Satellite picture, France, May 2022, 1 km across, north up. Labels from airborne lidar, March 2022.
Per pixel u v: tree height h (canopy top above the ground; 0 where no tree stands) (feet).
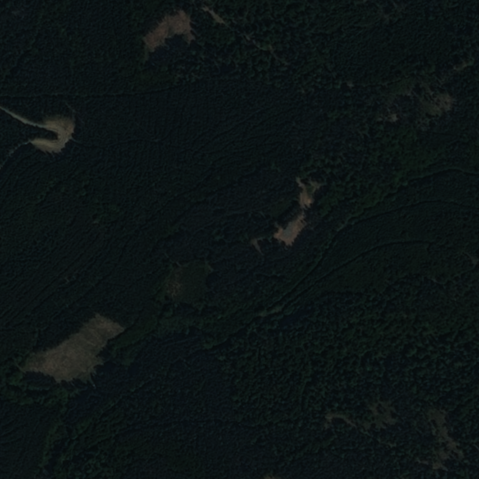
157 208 52
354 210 78
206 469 77
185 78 57
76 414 109
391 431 94
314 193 0
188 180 44
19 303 31
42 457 57
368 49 38
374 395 84
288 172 73
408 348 94
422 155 81
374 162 78
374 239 36
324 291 42
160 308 65
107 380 111
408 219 37
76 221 31
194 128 46
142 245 63
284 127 78
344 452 81
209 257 104
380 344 35
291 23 117
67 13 80
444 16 40
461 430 94
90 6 72
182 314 100
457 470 93
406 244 40
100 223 22
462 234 57
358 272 42
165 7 104
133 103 60
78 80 70
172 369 88
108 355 102
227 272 101
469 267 43
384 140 77
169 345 87
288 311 40
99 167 62
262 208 93
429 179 35
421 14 39
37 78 79
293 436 78
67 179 53
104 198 55
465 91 68
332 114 73
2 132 51
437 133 54
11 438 68
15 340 27
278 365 90
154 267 55
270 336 93
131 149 53
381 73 37
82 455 42
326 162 20
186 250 108
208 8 98
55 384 84
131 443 66
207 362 96
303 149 79
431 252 47
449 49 25
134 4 63
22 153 60
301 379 77
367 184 87
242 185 97
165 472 81
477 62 103
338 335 79
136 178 46
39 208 27
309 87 80
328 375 78
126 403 68
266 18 34
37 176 48
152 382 75
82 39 83
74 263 32
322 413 72
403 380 82
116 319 71
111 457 48
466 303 67
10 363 29
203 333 24
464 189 41
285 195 95
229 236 97
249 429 87
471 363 35
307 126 96
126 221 53
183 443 67
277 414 75
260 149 75
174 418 84
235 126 59
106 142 66
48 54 76
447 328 70
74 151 68
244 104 80
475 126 93
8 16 79
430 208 39
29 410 71
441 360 25
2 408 76
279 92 86
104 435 67
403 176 47
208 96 67
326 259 42
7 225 26
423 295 79
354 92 48
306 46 104
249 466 84
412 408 70
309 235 101
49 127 0
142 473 93
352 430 67
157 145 42
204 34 66
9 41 70
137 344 80
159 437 77
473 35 91
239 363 96
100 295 74
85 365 0
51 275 36
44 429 71
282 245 0
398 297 83
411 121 80
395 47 42
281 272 101
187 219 93
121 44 61
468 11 33
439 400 64
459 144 78
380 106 84
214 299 76
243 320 47
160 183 50
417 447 76
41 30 75
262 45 101
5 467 59
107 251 40
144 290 60
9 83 66
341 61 44
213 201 88
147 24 102
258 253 104
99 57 68
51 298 44
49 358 0
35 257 49
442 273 43
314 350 83
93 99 63
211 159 45
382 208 34
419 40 55
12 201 54
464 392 105
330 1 48
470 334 64
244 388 81
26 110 81
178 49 101
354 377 84
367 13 33
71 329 79
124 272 56
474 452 100
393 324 54
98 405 106
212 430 73
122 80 70
